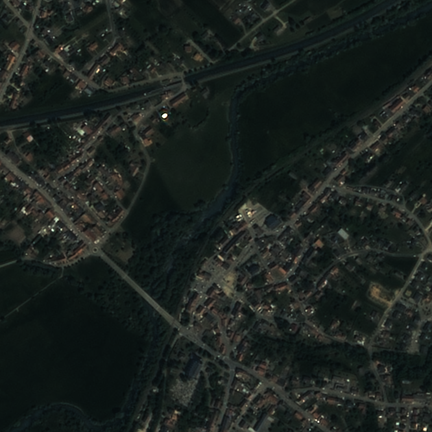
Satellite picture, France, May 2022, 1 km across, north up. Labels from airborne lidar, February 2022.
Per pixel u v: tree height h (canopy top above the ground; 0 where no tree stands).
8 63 0
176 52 0
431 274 0
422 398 0
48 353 0
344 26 0
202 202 13
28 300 0
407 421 0
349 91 0
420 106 0
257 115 0
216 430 0
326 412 0
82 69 0
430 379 9
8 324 0
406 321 0
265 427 0
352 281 0
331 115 0
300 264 7
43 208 0
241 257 0
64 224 0
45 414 10
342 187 0
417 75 0
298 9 0
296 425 0
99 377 0
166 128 0
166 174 0
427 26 0
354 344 0
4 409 0
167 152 0
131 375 0
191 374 0
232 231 0
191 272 0
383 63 0
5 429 0
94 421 15
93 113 11
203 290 0
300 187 0
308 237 0
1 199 0
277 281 0
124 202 0
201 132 0
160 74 0
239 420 0
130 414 13
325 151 0
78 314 0
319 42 0
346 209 13
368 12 0
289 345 8
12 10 0
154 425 15
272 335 0
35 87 12
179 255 7
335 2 0
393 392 0
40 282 0
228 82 0
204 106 0
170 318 0
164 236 16
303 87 0
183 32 0
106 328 0
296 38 0
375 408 0
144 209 0
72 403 0
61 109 0
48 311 0
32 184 0
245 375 0
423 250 0
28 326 0
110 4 0
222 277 0
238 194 18
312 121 0
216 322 0
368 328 0
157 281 10
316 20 0
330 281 0
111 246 0
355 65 0
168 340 0
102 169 0
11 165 0
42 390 0
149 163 0
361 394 0
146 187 0
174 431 0
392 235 0
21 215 0
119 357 0
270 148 0
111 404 0
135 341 0
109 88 10
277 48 0
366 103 0
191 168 0
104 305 12
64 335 0
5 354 0
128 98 0
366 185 0
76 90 0
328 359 6
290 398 8
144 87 0
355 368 0
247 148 0
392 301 0
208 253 0
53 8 7
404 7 6
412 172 0
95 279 0
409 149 0
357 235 10
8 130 0
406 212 0
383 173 0
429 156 0
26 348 0
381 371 0
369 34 12
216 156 0
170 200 0
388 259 0
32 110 0
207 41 0
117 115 0
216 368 12
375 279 0
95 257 0
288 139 0
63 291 0
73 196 0
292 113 0
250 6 0
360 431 7
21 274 0
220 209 0
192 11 0
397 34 0
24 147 6
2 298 0
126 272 0
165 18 0
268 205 0
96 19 0
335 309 8
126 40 0
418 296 0
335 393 0
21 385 0
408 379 14
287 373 0
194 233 0
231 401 0
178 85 0
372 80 0
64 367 0
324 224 8
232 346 0
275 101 0
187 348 10
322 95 0
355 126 0
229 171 0
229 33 0
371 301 0
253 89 9
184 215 17
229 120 0
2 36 0
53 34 0
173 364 18
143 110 0
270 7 0
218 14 0
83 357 0
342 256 0
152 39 10
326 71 0
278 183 0
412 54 0
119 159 6
